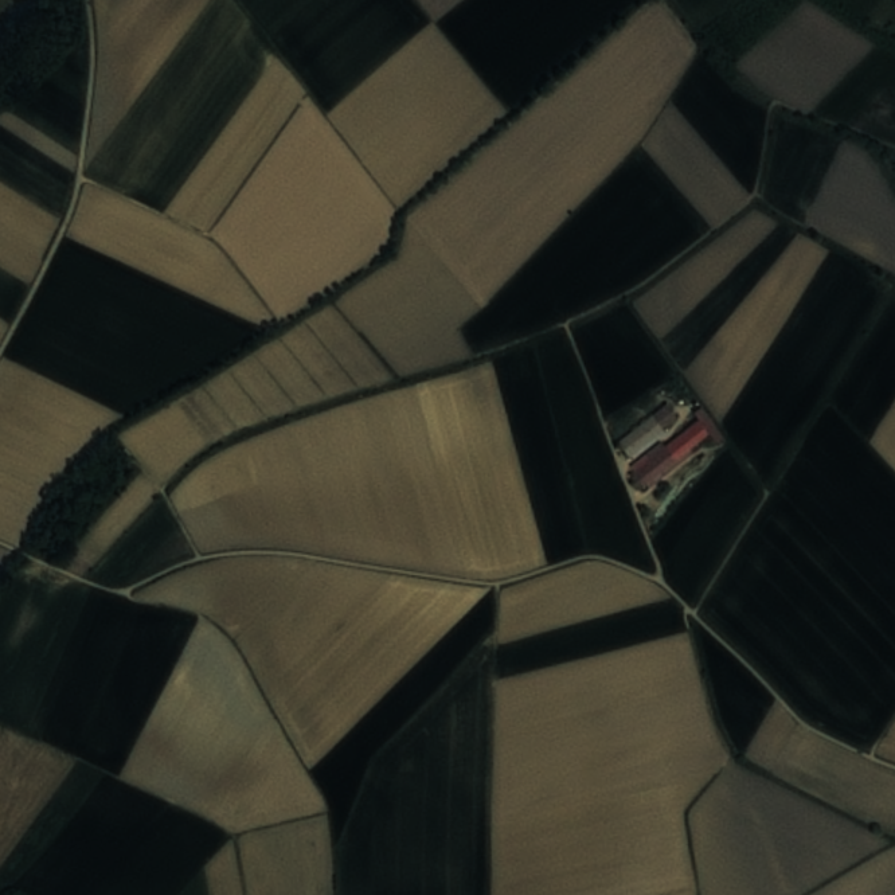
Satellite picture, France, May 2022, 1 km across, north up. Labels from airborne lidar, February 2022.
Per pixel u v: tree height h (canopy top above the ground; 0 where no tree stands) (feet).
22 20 104
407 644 0
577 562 0
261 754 0
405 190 0
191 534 0
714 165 0
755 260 0
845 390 0
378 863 0
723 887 0
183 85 0
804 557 0
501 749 0
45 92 0
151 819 0
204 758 0
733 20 0
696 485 0
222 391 0
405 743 0
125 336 0
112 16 0
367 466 0
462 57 0
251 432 0
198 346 0
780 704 0
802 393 0
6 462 0
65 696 0
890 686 0
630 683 0
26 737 0
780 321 0
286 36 0
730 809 0
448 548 0
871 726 0
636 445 0
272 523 0
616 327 0
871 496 0
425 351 0
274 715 0
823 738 0
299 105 0
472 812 0
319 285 0
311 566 0
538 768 0
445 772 0
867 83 0
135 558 0
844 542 0
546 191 0
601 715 0
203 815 0
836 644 0
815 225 0
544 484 0
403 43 0
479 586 0
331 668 0
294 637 0
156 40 0
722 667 0
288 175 0
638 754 0
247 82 0
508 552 0
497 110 0
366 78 0
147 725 0
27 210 0
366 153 0
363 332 0
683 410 0
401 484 0
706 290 0
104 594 0
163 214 0
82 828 0
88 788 0
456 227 0
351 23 0
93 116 0
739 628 0
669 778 0
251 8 0
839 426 0
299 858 0
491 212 0
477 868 0
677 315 0
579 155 0
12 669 0
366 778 0
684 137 0
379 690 0
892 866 0
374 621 0
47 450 0
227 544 0
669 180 0
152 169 0
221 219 0
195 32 0
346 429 0
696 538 0
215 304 0
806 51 0
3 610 0
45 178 0
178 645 0
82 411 0
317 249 0
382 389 0
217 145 0
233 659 0
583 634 0
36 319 0
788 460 0
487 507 0
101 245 0
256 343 36
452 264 0
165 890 0
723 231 0
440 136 0
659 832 0
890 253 0
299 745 0
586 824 0
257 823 0
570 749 0
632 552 0
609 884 0
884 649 0
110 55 0
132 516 0
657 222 0
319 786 0
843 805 0
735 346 0
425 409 0
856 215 0
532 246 0
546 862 0
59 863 0
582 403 0
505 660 0
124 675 0
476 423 0
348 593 0
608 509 0
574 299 0
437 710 0
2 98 68
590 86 0
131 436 0
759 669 0
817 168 0
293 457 0
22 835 0
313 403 0
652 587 0
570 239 0
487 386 0
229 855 0
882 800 0
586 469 0
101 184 0
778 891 0
